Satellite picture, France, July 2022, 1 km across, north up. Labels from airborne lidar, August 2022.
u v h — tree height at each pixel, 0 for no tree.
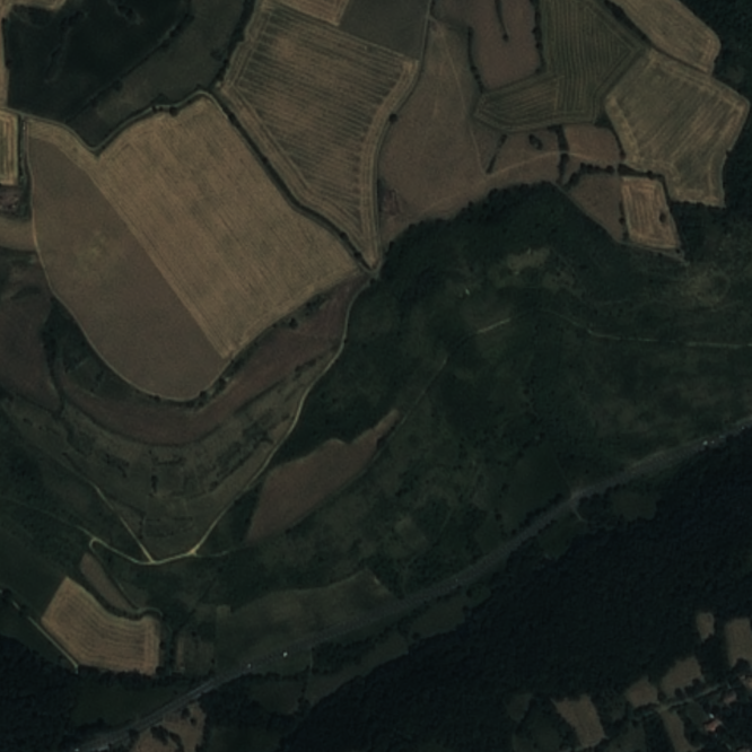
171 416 0
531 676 17
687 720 8
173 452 0
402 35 0
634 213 0
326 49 0
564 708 0
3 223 0
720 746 15
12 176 0
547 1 0
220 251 0
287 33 0
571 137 0
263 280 0
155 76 0
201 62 0
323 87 0
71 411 0
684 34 0
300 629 0
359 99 0
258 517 0
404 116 0
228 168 0
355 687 15
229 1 0
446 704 20
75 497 0
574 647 16
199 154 0
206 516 0
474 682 18
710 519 24
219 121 0
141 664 0
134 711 0
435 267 8
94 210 0
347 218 0
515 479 0
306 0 0
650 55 0
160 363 0
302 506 0
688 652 14
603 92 0
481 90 0
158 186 0
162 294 0
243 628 0
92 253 0
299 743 16
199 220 0
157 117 0
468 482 0
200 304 0
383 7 0
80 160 0
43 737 7
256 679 11
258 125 0
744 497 13
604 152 0
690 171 0
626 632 20
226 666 0
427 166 0
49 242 0
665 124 0
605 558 18
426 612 6
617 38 0
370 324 0
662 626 19
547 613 19
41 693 16
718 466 23
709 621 0
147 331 0
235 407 0
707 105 0
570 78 0
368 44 0
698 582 11
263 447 0
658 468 0
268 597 0
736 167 8
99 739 0
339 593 0
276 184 0
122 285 0
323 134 0
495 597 14
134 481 0
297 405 0
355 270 0
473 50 0
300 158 0
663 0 0
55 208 0
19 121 0
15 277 0
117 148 0
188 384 0
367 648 12
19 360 0
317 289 0
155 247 0
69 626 0
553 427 6
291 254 0
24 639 0
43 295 0
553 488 0
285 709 0
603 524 7
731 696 0
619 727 14
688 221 9
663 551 14
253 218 0
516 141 0
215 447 0
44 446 0
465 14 0
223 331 0
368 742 19
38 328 0
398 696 18
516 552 8
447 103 0
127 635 0
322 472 0
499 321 0
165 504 0
